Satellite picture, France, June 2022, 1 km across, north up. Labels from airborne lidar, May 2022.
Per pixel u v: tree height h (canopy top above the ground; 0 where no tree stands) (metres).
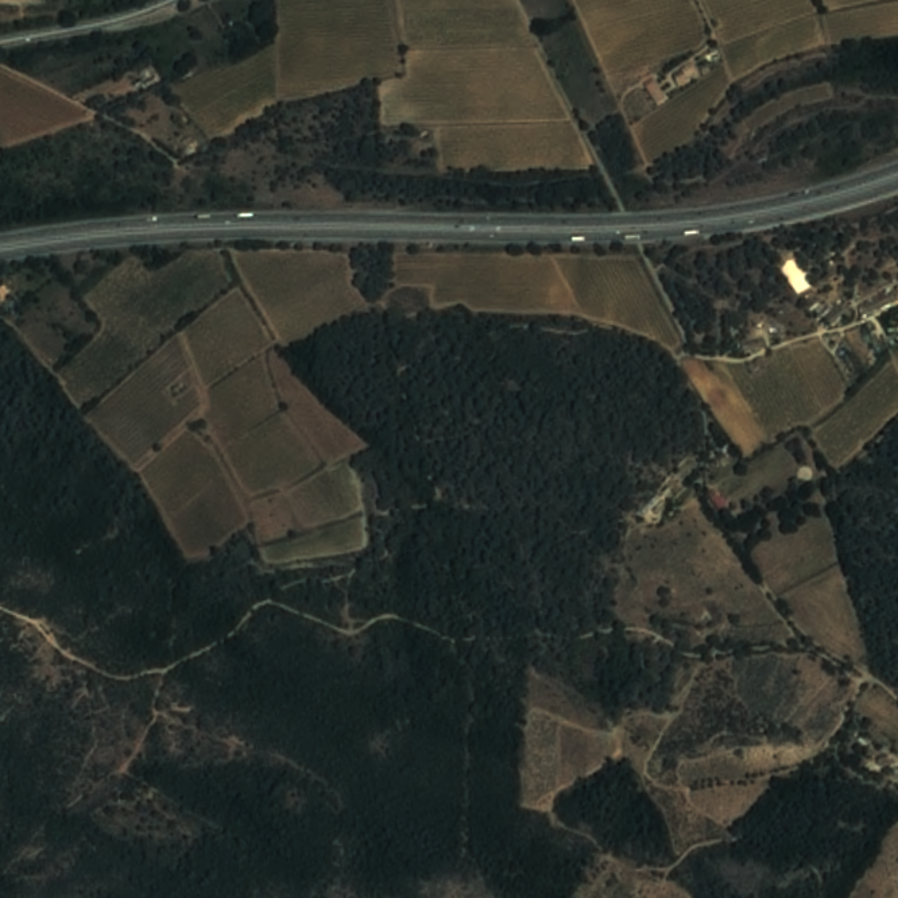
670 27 0
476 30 0
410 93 0
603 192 13
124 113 6
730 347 9
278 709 6
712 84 0
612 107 0
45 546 7
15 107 0
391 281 11
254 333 0
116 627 6
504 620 12
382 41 0
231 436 0
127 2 9
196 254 0
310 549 0
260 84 0
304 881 6
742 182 6
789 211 0
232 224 0
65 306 0
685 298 14
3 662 8
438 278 0
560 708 0
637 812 12
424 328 13
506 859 8
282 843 9
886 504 7
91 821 5
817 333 0
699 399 14
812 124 7
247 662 7
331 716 7
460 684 10
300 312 0
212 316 0
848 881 10
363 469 12
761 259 14
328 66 0
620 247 11
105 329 0
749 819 13
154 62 10
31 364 19
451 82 0
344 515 0
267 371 0
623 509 11
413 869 7
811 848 11
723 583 0
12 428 16
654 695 13
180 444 0
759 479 0
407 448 13
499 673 15
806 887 7
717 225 0
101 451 16
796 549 0
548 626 13
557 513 7
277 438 0
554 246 8
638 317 0
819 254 13
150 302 0
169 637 9
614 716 7
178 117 6
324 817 6
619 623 13
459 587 14
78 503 12
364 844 6
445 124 0
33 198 8
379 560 11
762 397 0
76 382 0
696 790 6
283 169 7
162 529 10
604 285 0
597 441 11
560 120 0
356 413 15
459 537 12
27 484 7
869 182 0
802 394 0
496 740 8
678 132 0
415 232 0
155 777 7
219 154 8
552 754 0
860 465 14
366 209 0
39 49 8
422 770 6
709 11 0
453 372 12
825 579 0
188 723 10
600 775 13
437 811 6
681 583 0
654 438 11
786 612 7
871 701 0
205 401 0
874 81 6
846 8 0
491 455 10
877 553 15
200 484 0
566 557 11
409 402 9
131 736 6
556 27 9
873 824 12
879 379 0
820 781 17
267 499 0
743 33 0
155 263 7
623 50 0
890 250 12
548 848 7
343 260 0
